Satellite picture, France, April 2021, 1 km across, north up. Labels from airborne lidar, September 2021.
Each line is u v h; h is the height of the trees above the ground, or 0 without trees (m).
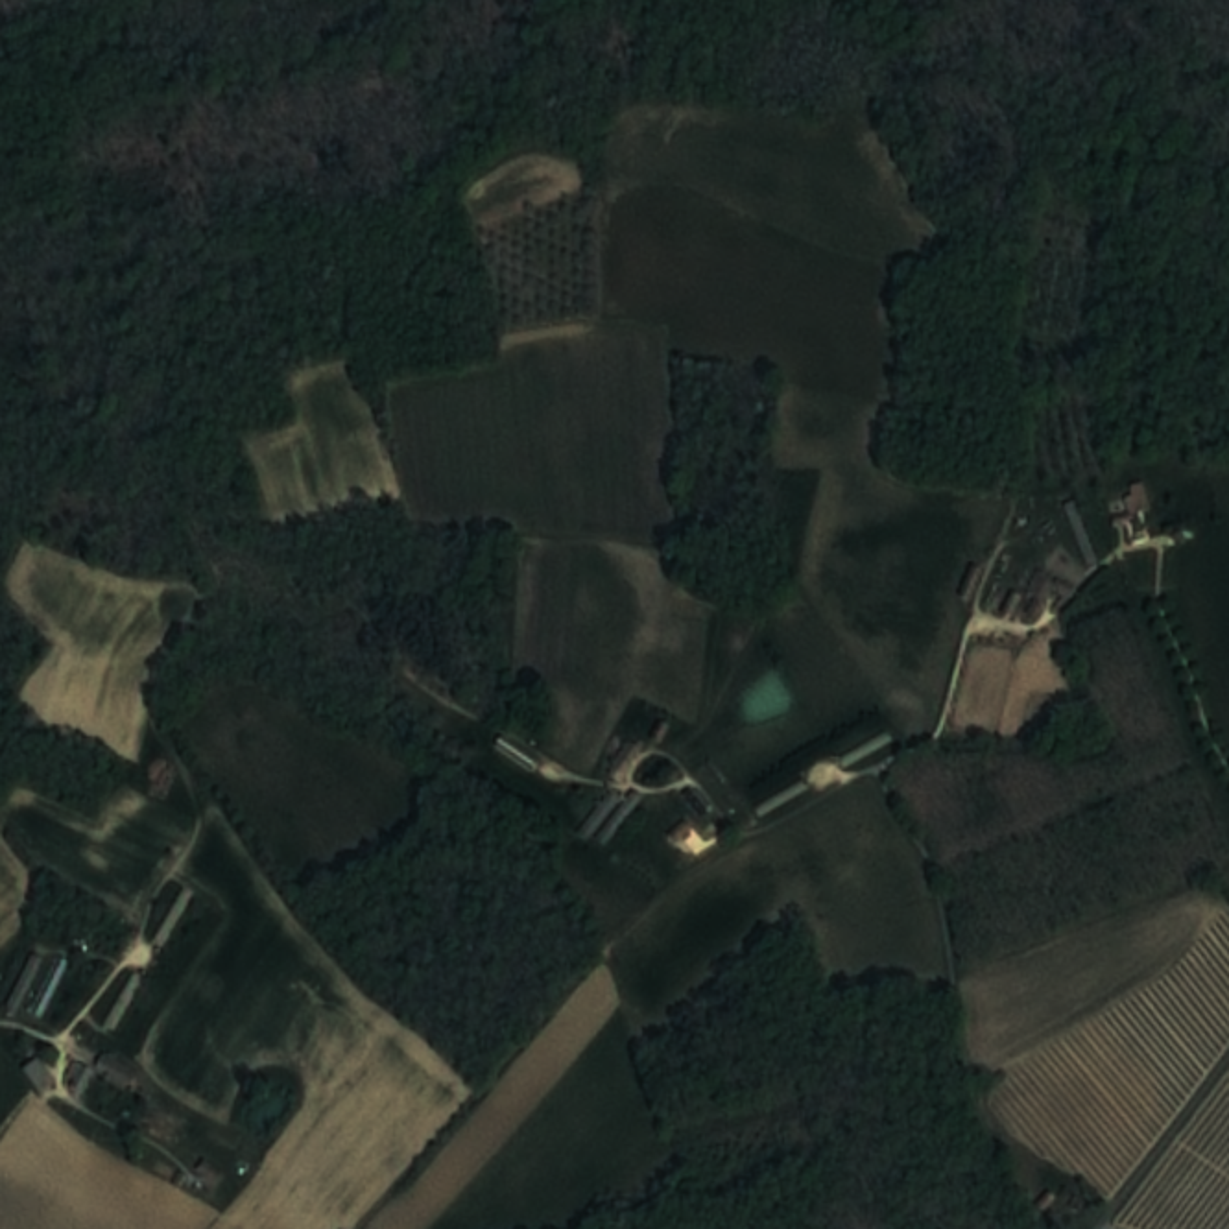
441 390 0
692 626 0
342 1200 0
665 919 0
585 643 0
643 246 0
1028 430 25
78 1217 0
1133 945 0
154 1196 0
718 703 0
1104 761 12
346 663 17
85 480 20
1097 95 26
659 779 11
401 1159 0
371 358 20
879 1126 16
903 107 24
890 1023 22
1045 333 16
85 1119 0
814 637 0
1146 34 23
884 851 0
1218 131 22
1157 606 9
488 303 21
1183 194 26
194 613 0
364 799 0
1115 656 19
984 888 15
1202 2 23
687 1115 19
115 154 14
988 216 23
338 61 19
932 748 14
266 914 0
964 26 22
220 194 15
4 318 8
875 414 0
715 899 0
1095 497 12
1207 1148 0
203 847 0
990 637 0
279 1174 0
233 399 24
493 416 0
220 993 0
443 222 23
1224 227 24
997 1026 0
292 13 12
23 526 19
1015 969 0
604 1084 0
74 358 11
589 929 21
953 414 21
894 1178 23
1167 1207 0
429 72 22
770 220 0
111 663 0
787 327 0
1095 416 14
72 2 19
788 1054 21
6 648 20
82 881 0
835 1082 16
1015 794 18
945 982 0
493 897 18
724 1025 22
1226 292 26
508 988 20
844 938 0
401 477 0
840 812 0
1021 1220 23
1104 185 29
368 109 16
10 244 14
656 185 0
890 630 0
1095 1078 0
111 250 21
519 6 15
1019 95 23
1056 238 12
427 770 19
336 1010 0
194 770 13
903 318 22
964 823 19
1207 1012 0
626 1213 10
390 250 24
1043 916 15
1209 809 13
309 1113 0
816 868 0
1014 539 0
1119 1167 0
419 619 17
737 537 26
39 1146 0
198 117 17
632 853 0
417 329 21
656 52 23
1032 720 0
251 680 18
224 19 23
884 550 0
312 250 26
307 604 21
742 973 21
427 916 23
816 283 0
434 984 20
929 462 24
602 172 7
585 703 0
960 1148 25
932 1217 29
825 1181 18
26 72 27
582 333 0
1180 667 8
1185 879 13
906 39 23
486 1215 0
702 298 0
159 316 24
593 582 0
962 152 25
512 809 25
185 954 0
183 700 21
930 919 0
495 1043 15
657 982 0
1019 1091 0
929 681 0
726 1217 24
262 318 19
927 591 0
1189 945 0
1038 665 0
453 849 20
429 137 18
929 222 15
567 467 0
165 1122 0
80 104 24
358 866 19
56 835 0
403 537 24
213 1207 0
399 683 12
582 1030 0
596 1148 0
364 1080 0
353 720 21
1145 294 16
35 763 24
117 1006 0
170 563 15
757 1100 20
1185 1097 0
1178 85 17
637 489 0
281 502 0
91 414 17
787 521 6
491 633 21
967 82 27
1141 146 21
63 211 19
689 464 21
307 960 0
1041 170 29
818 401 0
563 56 21
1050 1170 0
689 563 26
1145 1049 0
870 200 0
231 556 22
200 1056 0
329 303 25
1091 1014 0
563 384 0
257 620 21
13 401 21
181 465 21
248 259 22
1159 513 9
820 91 23
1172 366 24
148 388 23
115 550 18
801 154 0
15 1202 0
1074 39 20
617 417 0
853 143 0
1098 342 22
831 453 0
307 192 19
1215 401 23
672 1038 13
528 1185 0
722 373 15
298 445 0
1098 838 14
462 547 20
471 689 19
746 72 18
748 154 0
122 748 0
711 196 0
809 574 0
